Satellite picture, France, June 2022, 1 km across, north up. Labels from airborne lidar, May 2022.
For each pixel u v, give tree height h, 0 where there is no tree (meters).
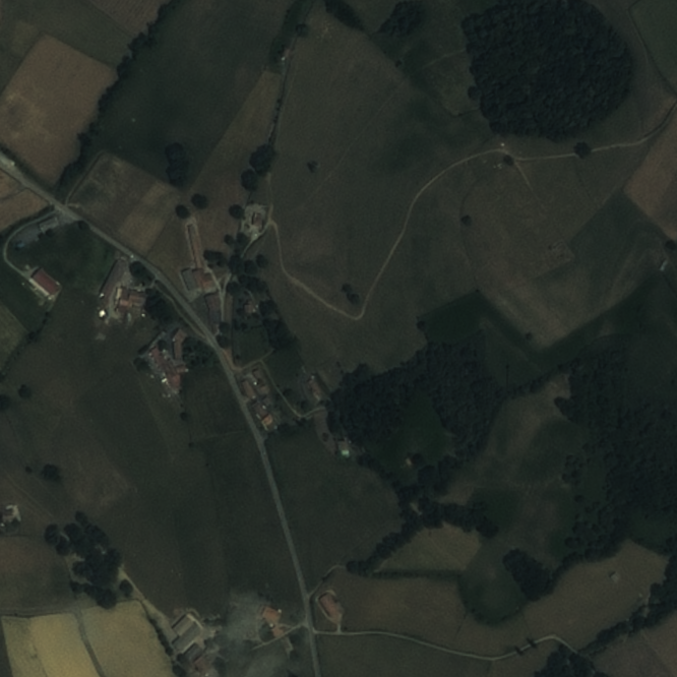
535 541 0
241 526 0
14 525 9
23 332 0
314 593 0
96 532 24
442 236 0
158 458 0
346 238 0
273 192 0
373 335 0
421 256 0
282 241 0
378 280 0
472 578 0
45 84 0
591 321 0
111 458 0
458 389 17
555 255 0
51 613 0
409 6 11
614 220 0
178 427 0
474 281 0
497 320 0
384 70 0
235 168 0
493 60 24
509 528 0
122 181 0
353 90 0
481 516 15
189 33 0
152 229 0
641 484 22
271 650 0
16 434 0
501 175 0
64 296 0
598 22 21
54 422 0
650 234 0
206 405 0
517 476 0
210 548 0
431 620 0
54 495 0
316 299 0
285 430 14
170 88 0
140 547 0
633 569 0
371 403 22
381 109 0
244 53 0
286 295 0
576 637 0
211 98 0
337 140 0
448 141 0
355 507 0
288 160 0
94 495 0
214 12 0
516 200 0
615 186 0
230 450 0
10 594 0
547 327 0
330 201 0
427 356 10
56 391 0
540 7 7
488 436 8
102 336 0
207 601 0
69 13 0
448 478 14
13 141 0
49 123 0
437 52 0
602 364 12
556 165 0
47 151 0
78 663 0
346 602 0
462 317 0
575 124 17
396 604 0
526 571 27
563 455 0
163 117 0
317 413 0
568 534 0
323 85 0
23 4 0
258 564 0
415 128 0
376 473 6
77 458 0
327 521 0
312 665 0
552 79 25
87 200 0
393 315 0
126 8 0
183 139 0
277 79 0
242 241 14
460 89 0
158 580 0
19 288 0
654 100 0
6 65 0
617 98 15
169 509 0
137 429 0
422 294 0
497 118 17
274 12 0
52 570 0
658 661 0
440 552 0
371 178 0
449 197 0
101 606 20
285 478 0
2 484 0
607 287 0
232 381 0
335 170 0
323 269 0
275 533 0
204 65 0
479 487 0
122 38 0
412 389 23
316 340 0
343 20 10
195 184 0
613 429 19
